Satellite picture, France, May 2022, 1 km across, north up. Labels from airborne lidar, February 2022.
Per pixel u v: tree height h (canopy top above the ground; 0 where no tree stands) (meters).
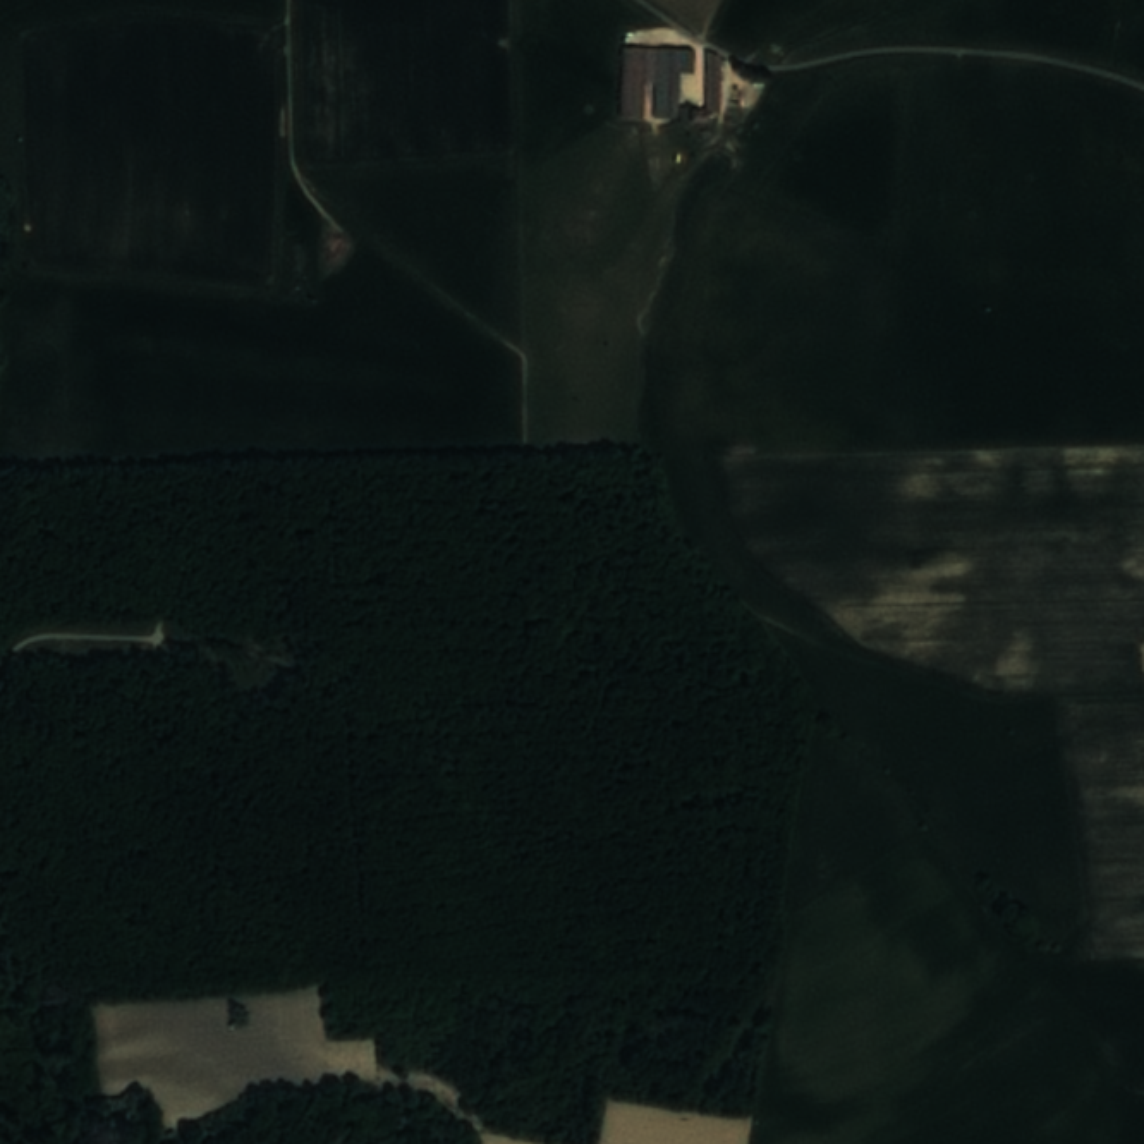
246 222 0
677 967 19
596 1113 8
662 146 0
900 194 0
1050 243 0
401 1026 6
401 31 0
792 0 0
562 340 0
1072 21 0
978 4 0
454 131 0
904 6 0
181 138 0
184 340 0
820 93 0
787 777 16
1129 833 0
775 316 0
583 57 0
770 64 0
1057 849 0
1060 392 0
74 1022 22
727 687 20
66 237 0
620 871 16
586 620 21
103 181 0
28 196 0
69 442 0
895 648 0
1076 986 0
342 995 14
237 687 17
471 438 0
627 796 19
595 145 0
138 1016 0
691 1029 19
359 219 0
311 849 20
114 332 0
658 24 0
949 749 0
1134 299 0
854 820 0
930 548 0
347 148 0
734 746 16
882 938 0
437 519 16
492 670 15
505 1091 5
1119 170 0
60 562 19
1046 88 0
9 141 0
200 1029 0
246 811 21
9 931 24
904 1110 0
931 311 0
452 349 0
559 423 0
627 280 0
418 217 0
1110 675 0
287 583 18
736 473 0
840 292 0
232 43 0
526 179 0
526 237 0
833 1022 0
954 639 0
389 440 0
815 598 0
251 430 0
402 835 15
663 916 19
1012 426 0
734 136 0
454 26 0
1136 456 0
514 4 0
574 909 14
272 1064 0
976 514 0
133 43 0
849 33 0
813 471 0
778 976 0
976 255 0
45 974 20
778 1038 0
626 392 0
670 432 0
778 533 0
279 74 0
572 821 17
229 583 18
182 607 18
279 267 0
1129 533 0
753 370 0
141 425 0
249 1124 17
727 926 16
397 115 0
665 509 18
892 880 0
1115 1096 0
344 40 0
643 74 0
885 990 0
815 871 0
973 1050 0
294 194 0
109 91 0
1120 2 0
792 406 0
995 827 0
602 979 18
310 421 0
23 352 0
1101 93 0
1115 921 0
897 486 0
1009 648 0
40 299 0
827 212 0
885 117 0
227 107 0
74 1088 20
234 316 0
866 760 0
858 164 0
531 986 18
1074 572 0
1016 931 19
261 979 15
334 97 0
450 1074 12
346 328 0
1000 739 0
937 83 0
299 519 19
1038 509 0
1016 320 0
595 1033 8
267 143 0
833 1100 0
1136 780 0
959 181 0
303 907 19
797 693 17
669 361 0
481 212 0
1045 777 0
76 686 20
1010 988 0
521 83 0
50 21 0
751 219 0
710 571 10
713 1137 0
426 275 0
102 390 0
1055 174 0
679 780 18
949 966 0
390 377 0
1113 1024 0
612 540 18
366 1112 20
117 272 0
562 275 0
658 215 0
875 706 0
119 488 16
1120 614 0
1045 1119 0
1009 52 0
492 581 16
